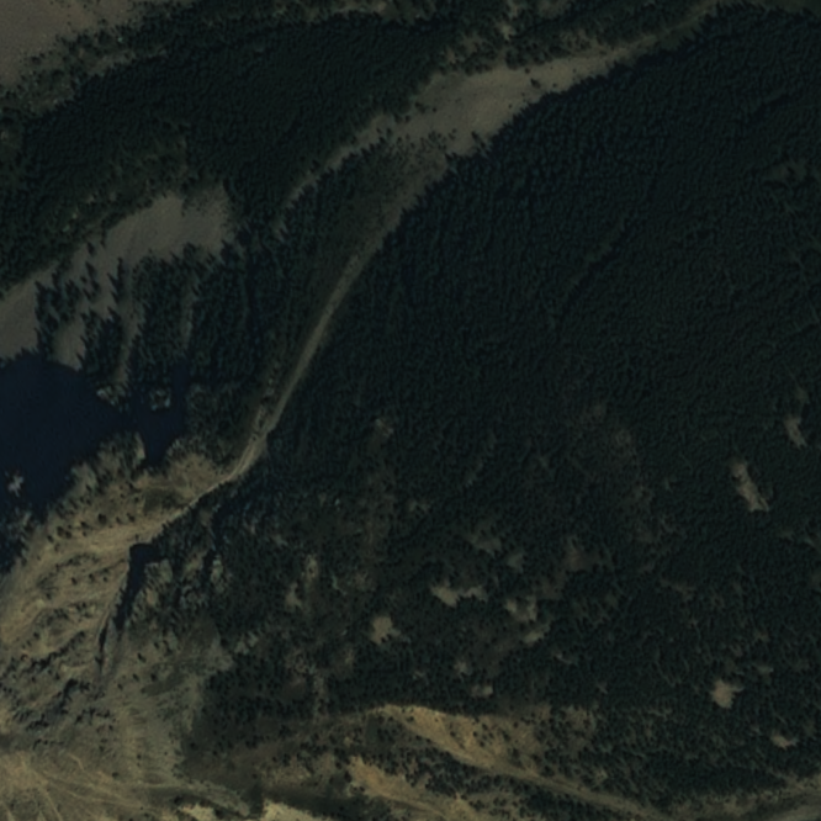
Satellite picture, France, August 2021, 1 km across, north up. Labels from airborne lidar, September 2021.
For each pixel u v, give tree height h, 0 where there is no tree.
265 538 8
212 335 17
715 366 18
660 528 10
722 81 24
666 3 25
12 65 0
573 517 10
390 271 10
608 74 0
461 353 14
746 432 17
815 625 21
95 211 10
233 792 0
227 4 10
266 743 9
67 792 0
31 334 0
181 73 17
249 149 26
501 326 12
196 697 0
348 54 26
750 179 16
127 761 0
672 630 19
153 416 6
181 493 0
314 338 0
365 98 15
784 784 14
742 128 17
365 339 7
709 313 20
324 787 0
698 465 14
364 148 0
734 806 0
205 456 6
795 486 18
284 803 0
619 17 17
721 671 18
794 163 22
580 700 13
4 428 0
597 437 7
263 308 11
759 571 21
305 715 11
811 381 20
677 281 19
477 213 16
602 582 12
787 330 20
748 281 23
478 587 0
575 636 19
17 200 12
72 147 21
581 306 21
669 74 28
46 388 7
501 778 9
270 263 13
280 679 8
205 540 6
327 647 10
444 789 8
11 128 18
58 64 0
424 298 12
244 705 8
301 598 7
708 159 18
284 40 23
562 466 10
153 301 6
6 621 0
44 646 0
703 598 12
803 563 20
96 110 20
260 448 0
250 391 16
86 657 0
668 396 17
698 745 18
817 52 26
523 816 7
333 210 11
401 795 0
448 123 0
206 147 19
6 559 0
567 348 6
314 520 7
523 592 12
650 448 12
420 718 0
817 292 16
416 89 19
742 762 16
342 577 6
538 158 24
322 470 6
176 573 8
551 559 8
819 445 23
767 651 17
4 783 0
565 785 0
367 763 7
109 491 7
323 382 7
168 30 10
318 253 13
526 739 0
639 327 17
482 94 0
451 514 7
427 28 23
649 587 14
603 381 15
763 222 19
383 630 0
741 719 11
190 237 0
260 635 8
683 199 18
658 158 21
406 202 0
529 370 19
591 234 19
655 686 12
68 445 0
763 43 25
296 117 23
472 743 0
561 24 11
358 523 6
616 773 9
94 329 8
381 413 13
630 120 19
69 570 0
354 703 9
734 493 21
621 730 14
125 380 0
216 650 0
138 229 0
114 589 0
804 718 9
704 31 0
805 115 22
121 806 0
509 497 11
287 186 20
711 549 19
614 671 15
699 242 19
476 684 14
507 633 9
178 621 9
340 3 6
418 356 8
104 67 0
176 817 0
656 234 20
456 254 9
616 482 8
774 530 17
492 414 12
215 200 0
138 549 0
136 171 9
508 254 16
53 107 0
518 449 10
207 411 7
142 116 21
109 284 0
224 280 12
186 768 0
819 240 23
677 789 14
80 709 0
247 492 7
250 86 26
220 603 6
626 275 16
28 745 0
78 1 0
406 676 11
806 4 0
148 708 0
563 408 11
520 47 7
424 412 12
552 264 18
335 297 0
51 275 0
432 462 13
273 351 12
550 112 23
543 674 12
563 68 0
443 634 8
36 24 0
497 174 23
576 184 15
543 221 15
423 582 10
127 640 0
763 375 16
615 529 9
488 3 11
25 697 0
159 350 12
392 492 12
